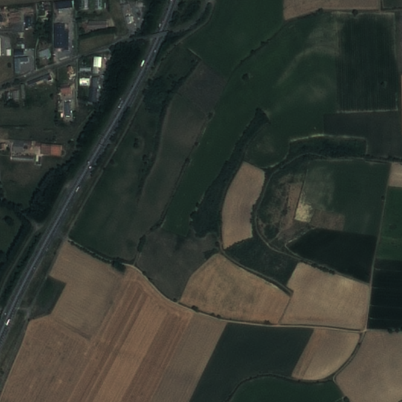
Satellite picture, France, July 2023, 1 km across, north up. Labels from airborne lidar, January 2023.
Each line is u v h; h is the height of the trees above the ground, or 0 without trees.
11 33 0
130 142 0
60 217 0
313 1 0
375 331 0
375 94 0
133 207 0
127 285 0
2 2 0
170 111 0
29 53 0
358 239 0
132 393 0
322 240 0
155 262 0
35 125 0
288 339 0
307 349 0
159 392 0
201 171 0
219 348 0
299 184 0
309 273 0
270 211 0
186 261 0
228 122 0
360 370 0
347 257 0
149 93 10
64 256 0
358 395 0
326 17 0
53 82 0
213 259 0
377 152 0
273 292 0
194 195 0
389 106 0
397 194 0
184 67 0
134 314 0
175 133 0
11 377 0
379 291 0
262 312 0
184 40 0
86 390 0
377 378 0
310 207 0
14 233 0
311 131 0
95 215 0
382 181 0
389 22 0
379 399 0
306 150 11
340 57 0
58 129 0
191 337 0
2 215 0
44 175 0
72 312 0
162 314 0
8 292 9
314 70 0
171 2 0
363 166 0
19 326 0
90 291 0
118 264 13
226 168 8
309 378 0
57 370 0
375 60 0
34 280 0
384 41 0
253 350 0
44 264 0
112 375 0
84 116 0
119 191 0
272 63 0
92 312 0
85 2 0
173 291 0
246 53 0
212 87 0
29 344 0
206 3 0
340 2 0
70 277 0
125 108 0
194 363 0
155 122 0
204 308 0
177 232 0
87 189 0
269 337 0
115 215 0
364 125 0
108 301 0
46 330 0
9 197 0
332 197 0
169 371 0
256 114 7
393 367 0
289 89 0
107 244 0
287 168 8
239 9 0
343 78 0
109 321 0
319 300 0
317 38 0
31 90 0
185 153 0
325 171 0
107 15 0
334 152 11
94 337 0
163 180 0
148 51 0
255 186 0
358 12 10
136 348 0
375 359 0
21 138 0
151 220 0
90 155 0
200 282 0
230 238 0
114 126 0
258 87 0
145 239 9
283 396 0
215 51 0
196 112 0
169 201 0
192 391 0
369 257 0
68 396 0
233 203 0
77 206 0
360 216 0
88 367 0
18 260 0
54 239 0
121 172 0
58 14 0
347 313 0
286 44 0
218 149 0
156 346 0
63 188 0
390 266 0
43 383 0
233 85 0
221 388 0
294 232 0
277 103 0
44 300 0
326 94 0
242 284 0
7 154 0
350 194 0
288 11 0
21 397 0
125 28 0
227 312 0
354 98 0
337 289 0
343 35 0
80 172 0
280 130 0
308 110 0
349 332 0
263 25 0
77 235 0
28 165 0
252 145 0
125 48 17
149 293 0
